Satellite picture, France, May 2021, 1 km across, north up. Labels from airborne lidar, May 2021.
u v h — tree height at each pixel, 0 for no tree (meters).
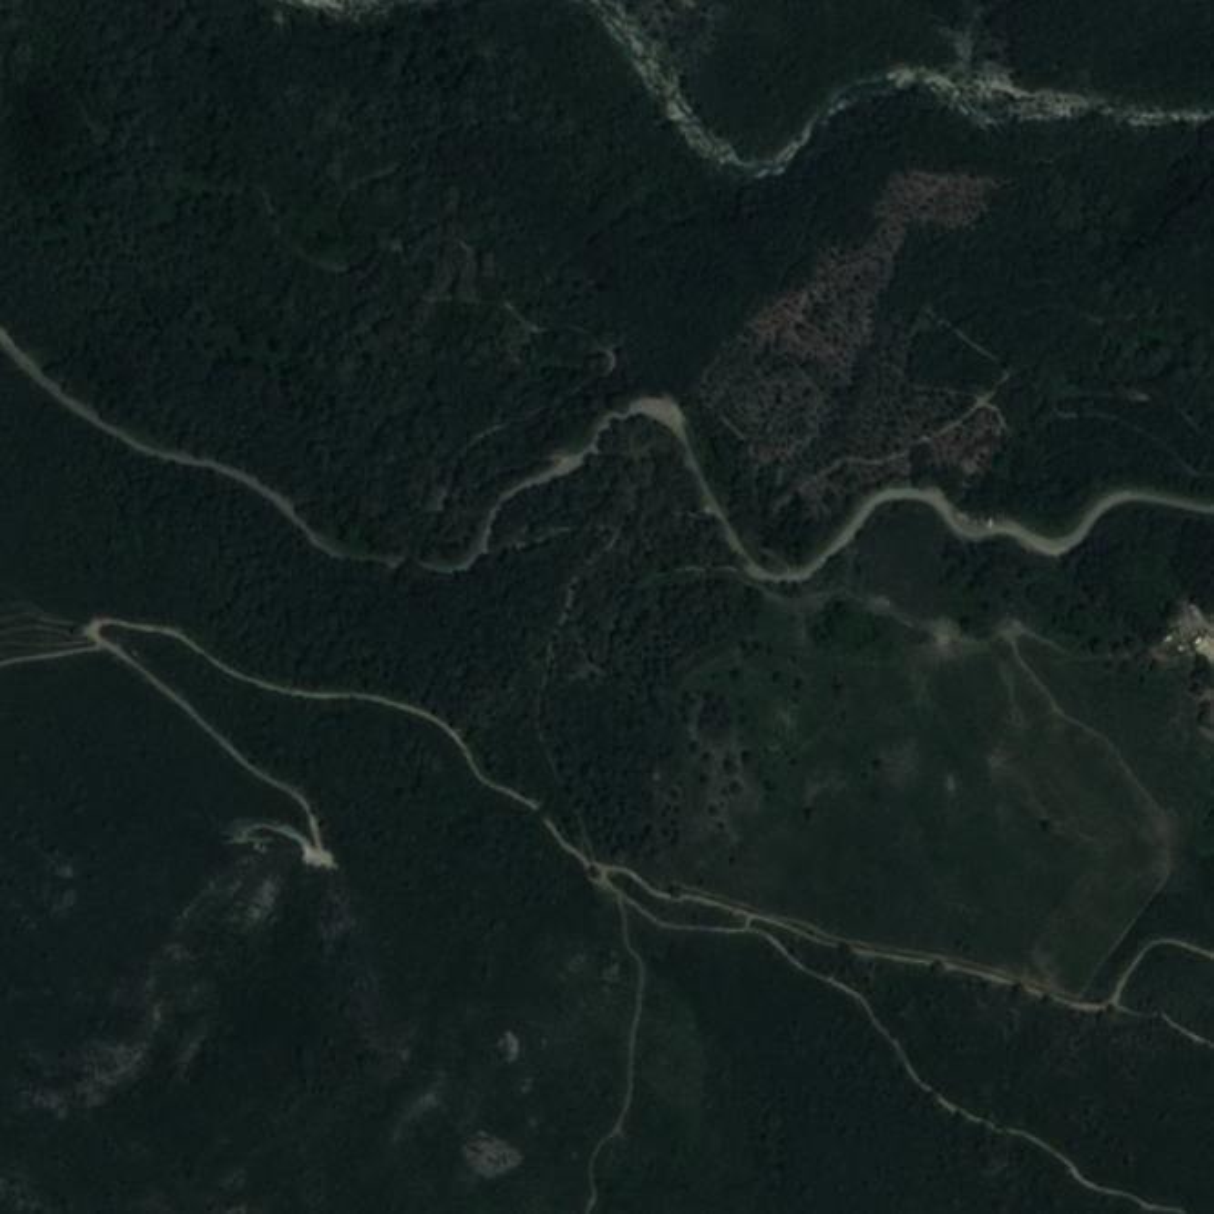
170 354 19
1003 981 0
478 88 10
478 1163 0
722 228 20
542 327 6
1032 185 10
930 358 9
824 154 8
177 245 17
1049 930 0
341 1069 8
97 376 21
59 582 6
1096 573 9
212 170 16
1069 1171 8
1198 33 14
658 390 10
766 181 11
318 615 13
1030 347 12
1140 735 0
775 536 17
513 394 12
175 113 15
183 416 13
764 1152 6
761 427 11
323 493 19
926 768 0
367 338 17
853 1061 10
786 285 10
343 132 8
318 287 8
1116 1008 9
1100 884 0
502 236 8
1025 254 10
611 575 9
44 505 8
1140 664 7
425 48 13
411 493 13
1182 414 9
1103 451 5
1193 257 10
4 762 6
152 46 19
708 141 0
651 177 15
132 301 12
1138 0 7
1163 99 8
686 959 5
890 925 0
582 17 15
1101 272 6
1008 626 0
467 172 15
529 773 9
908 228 9
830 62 9
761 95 9
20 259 18
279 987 6
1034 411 8
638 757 11
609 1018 0
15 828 6
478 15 14
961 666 0
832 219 12
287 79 11
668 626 9
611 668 10
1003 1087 8
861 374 12
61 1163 8
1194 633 0
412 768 7
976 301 9
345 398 10
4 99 12
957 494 12
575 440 8
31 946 6
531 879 10
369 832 7
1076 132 13
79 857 7
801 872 0
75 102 11
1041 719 0
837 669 0
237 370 21
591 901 6
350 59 15
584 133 15
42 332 8
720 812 8
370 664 16
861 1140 5
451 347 12
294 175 8
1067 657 0
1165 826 0
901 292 14
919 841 0
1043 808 0
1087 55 11
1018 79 15
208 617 9
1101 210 12
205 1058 13
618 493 11
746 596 6
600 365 12
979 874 0
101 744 8
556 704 11
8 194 12
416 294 8
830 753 0
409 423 14
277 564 18
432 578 14
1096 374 6
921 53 15
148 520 10
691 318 7
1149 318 12
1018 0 17
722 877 0
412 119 12
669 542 16
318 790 6
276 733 6
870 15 7
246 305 9
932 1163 6
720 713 11
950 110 17
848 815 0
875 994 7
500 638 10
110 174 10
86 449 8
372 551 7
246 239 8
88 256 13
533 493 9
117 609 6
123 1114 6
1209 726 11
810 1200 6
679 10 9
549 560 9
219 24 15
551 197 17
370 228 8
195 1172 10
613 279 18
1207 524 10
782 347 16
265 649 10
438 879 9
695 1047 0
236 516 14
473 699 9
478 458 12
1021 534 0
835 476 12
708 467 10
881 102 14
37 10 11
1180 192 15
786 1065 6
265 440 14
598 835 7
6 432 9
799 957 8
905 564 0
